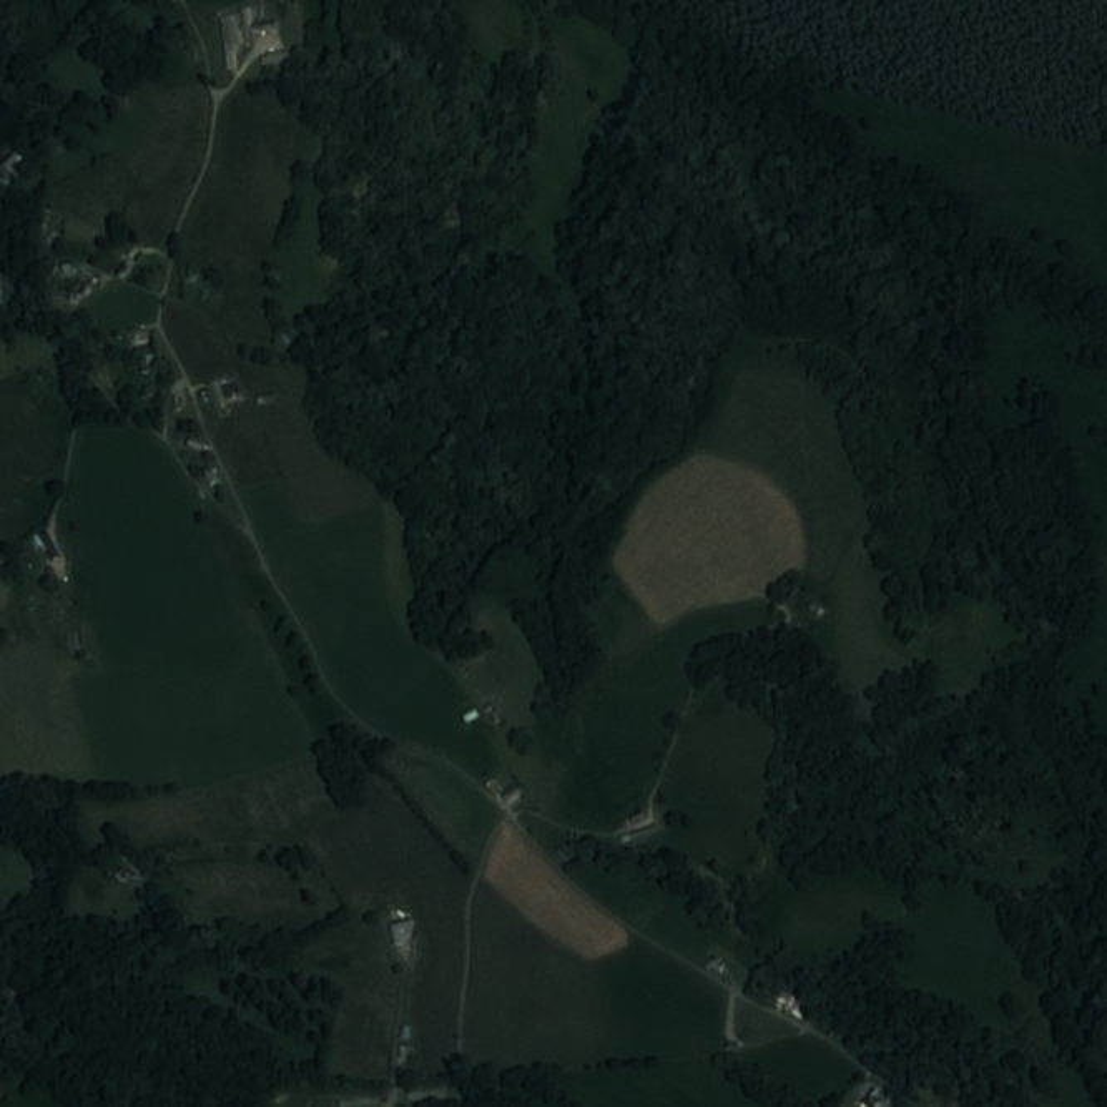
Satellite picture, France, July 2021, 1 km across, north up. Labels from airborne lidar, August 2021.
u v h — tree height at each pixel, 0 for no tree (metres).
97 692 0
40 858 27
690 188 21
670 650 0
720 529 0
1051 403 16
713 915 17
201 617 0
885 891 0
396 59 27
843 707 22
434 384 25
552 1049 0
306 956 0
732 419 0
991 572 24
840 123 18
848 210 11
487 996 0
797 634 16
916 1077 26
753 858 9
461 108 27
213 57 0
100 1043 29
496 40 0
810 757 24
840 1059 0
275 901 0
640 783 0
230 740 0
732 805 0
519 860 0
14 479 0
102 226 0
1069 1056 9
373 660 0
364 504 0
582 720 0
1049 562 30
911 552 18
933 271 12
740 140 12
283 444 0
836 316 11
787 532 0
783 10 22
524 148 29
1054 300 17
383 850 0
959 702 20
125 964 28
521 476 23
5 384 0
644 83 22
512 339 24
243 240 0
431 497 19
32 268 19
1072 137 18
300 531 0
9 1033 23
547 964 0
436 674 0
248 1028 13
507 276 32
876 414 21
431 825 10
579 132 0
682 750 0
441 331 23
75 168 0
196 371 0
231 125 0
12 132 25
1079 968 23
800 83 14
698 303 24
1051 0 24
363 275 23
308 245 0
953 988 0
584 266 19
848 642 0
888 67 21
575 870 10
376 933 0
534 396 31
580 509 22
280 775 0
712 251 17
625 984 0
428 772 0
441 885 0
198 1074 17
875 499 15
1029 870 14
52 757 0
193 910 0
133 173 0
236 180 0
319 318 28
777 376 0
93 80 0
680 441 20
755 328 8
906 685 20
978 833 9
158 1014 25
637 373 25
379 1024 0
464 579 24
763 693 21
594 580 25
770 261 12
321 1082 13
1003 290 7
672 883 19
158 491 0
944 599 23
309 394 9
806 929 0
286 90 19
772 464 0
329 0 20
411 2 20
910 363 21
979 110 25
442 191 19
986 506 28
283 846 0
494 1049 0
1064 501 18
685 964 0
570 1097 14
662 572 0
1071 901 31
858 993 24
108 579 0
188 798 0
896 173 18
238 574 0
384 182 19
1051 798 7
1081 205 0
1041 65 19
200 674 0
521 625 19
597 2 27
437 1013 0
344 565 0
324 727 0
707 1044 0
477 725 11
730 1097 0
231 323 0
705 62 21
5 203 13
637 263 24
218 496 9
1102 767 14
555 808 0
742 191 30
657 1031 0
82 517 0
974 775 28
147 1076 19
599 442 23
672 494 0
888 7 23
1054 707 9
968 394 23
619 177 14
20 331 13
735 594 0
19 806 27
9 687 0
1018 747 8
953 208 17
